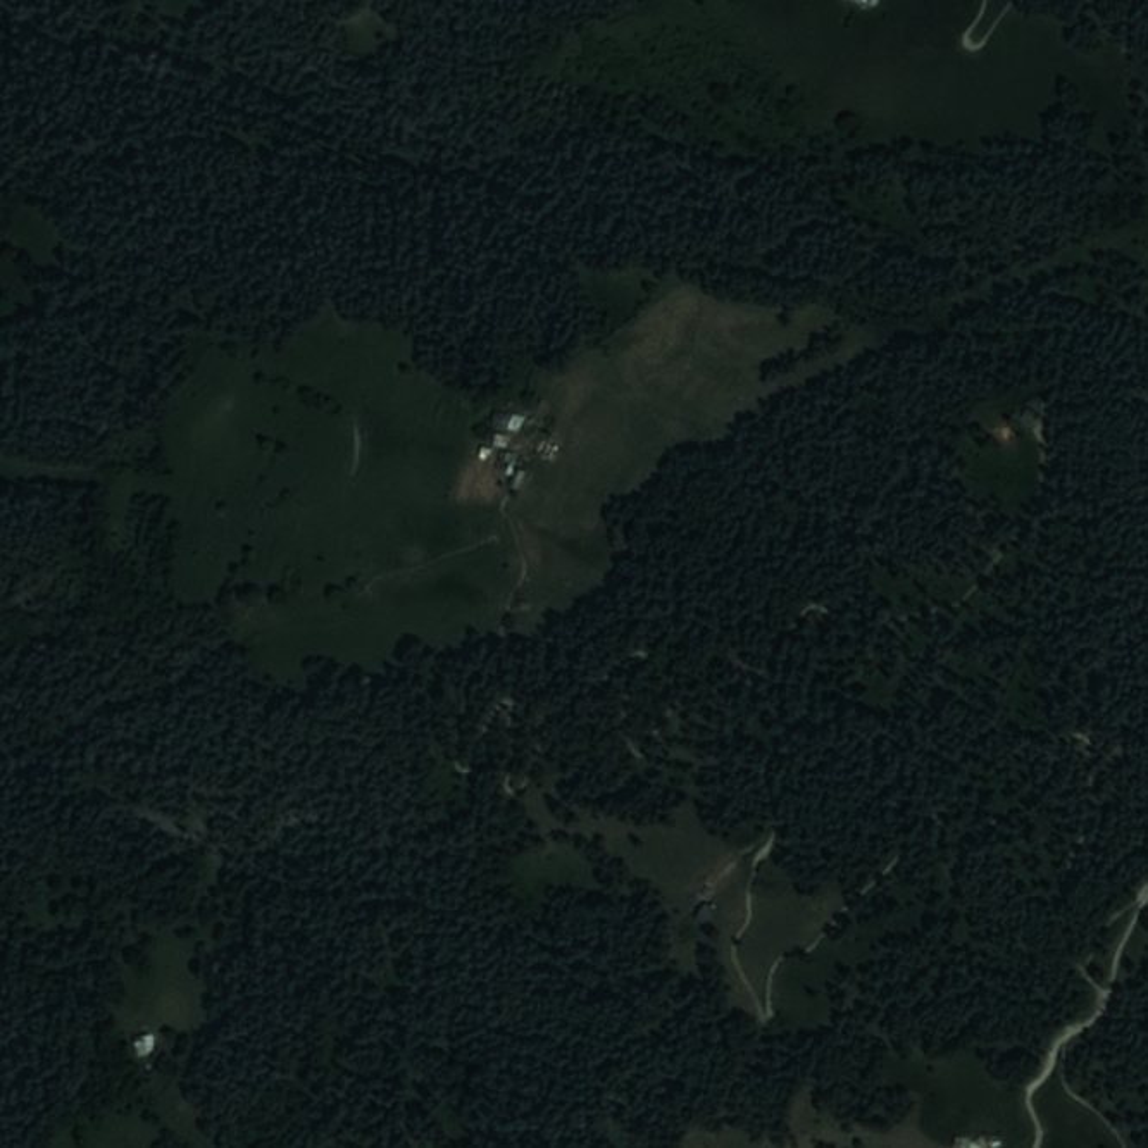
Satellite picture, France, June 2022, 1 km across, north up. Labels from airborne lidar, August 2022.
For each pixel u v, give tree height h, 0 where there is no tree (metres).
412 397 0
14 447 20
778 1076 25
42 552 21
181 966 0
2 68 18
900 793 26
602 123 31
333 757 18
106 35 8
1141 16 20
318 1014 24
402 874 25
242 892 28
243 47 18
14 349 21
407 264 30
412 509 0
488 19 26
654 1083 27
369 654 0
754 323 0
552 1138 26
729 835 15
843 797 26
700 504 27
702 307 0
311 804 19
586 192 27
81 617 25
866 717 35
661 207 31
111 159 10
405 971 16
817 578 33
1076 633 28
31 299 0
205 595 0
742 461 33
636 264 18
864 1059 20
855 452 19
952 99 0
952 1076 0
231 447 0
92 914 16
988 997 23
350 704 28
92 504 18
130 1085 15
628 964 27
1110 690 33
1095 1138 0
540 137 21
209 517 0
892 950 18
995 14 0
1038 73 0
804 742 29
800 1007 0
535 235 26
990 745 26
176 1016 0
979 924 23
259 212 31
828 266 24
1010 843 27
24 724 33
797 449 30
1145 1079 17
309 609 0
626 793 7
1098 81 0
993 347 24
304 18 24
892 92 0
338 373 0
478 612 0
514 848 12
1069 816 24
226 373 0
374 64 15
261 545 0
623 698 8
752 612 14
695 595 24
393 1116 28
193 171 31
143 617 10
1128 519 27
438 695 20
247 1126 20
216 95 17
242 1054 26
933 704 0
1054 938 28
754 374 0
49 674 32
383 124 28
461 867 25
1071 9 23
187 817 15
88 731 24
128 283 21
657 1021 26
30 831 20
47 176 10
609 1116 29
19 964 26
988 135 0
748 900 0
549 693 26
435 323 20
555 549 0
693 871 0
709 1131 17
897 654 24
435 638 0
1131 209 9
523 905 14
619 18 6
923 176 27
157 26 27
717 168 34
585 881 0
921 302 22
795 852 15
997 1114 0
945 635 30
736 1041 29
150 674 22
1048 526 20
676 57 7
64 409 33
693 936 0
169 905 25
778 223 32
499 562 0
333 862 27
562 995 29
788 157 16
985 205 15
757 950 0
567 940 33
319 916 32
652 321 0
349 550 0
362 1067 26
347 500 0
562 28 16
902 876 19
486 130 29
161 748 24
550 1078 22
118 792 6
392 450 0
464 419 0
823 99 0
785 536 20
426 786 21
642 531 22
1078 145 12
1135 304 30
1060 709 32
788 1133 25
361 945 35
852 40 0
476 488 0
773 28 0
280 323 20
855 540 21
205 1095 17
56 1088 24
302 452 0
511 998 30
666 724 24
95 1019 19
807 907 0
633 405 0
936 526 22
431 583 0
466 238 20
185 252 22
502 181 13
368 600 0
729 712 30
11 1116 28
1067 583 24
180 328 32
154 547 7
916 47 0
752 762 28
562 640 25
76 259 13
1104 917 25
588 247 32
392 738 30
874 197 10
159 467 11
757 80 14
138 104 11
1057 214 23
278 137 10
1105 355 25
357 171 20
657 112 26
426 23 23
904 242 7
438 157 12
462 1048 17
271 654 0
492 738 11
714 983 27
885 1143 0
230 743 22
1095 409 27
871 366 26
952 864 22
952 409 22
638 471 0
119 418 27
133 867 17
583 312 31
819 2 0
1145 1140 27
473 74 21
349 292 26
